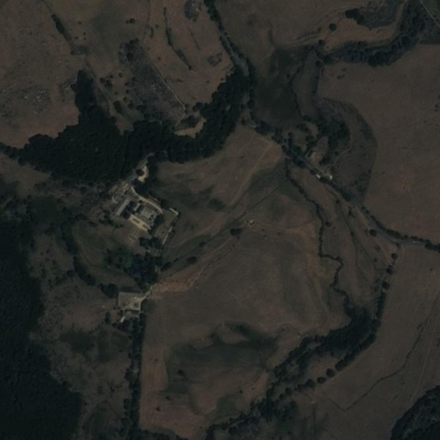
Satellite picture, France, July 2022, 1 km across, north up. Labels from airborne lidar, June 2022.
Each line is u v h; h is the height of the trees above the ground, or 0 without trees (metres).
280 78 0
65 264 0
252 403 7
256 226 0
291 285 0
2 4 0
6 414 12
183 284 0
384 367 0
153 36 0
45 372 17
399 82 0
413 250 0
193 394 0
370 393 0
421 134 0
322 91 0
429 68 0
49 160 22
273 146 0
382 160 0
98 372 0
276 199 0
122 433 15
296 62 0
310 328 0
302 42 0
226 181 0
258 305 0
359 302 0
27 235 15
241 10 0
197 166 0
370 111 0
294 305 0
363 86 0
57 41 0
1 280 25
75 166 18
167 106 0
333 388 0
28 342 21
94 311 0
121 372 0
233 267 0
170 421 0
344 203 0
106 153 18
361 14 6
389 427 0
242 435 0
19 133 0
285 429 0
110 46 0
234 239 0
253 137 0
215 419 0
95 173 16
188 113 7
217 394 0
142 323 13
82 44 0
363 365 0
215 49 0
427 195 0
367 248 0
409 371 0
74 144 12
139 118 0
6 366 20
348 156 0
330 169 0
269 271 0
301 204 0
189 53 0
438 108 0
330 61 14
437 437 18
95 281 22
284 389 0
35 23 0
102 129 21
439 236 0
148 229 0
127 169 16
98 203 0
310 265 0
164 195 0
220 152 0
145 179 10
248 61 10
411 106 0
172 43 12
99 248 0
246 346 0
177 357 0
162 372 0
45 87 0
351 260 0
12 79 0
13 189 0
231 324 0
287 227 0
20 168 0
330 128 0
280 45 0
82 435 0
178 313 0
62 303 0
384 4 0
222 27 19
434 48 0
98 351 0
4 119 0
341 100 0
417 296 0
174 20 0
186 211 0
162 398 0
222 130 26
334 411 0
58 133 0
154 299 0
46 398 26
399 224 0
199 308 0
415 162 0
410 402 0
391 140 0
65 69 0
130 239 0
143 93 0
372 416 0
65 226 18
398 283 0
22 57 0
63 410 29
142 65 0
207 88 0
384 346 0
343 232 0
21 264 25
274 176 0
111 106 0
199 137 18
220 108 25
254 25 0
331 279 0
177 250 0
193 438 0
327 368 0
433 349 0
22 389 29
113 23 0
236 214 0
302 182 0
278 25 0
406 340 0
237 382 0
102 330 0
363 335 6
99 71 0
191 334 0
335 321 0
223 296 0
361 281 0
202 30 0
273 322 0
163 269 10
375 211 0
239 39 0
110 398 0
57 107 0
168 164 0
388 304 0
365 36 0
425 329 0
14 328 32
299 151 20
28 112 0
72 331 0
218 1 0
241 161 0
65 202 0
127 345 0
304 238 0
